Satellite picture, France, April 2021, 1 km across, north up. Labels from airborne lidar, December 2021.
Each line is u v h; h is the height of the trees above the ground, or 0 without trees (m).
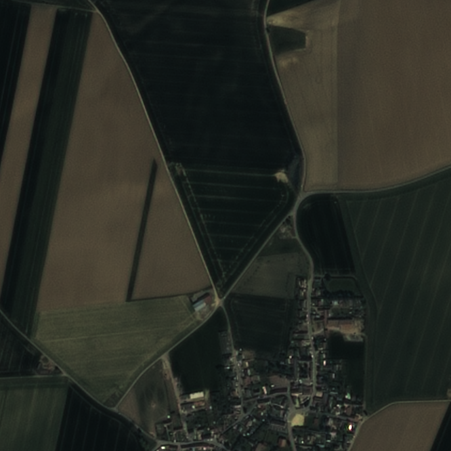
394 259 0
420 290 0
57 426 0
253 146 0
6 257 0
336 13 0
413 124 0
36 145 0
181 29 0
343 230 0
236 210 0
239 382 0
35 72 0
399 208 0
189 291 0
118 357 0
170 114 0
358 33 0
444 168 0
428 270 0
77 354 0
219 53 0
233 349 0
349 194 0
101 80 0
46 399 0
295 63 0
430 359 0
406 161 0
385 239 0
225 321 0
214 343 0
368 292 0
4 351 0
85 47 0
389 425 0
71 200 0
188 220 0
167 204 0
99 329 0
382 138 0
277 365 7
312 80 0
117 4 0
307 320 0
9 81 0
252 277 0
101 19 0
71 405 0
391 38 0
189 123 0
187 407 0
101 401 0
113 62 0
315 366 0
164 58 0
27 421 0
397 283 0
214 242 0
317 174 0
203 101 0
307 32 0
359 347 0
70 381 0
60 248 0
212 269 0
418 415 0
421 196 0
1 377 0
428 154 0
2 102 0
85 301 0
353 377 0
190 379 0
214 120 0
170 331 0
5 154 0
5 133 0
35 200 0
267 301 0
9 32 0
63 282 0
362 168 0
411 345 0
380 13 0
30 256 0
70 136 0
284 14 0
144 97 0
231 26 0
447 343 0
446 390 0
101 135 0
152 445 0
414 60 0
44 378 0
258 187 0
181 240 0
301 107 0
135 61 0
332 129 0
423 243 0
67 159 0
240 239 0
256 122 0
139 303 0
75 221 0
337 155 0
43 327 0
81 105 0
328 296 16
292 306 0
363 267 0
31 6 0
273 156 0
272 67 0
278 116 0
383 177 0
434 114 0
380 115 0
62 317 0
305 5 0
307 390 0
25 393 0
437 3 0
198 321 0
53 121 0
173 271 0
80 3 0
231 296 0
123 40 0
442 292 0
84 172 0
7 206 0
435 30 0
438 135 0
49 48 0
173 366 0
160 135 0
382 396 0
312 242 0
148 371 0
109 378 0
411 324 0
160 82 0
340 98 0
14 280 0
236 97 0
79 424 0
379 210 0
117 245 0
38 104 0
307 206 0
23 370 0
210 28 0
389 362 0
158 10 0
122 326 0
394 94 0
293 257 0
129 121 0
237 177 0
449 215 0
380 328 0
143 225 0
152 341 0
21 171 0
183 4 0
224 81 0
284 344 0
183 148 0
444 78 0
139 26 0
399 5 0
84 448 0
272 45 0
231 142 0
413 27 0
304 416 0
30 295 0
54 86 0
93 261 0
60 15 0
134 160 0
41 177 0
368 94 0
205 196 0
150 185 0
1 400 0
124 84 0
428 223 0
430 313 0
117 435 0
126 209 0
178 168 0
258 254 0
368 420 0
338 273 0
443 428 0
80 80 0
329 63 0
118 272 0
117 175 0
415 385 0
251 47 0
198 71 0
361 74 0
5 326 0
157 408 0
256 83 0
